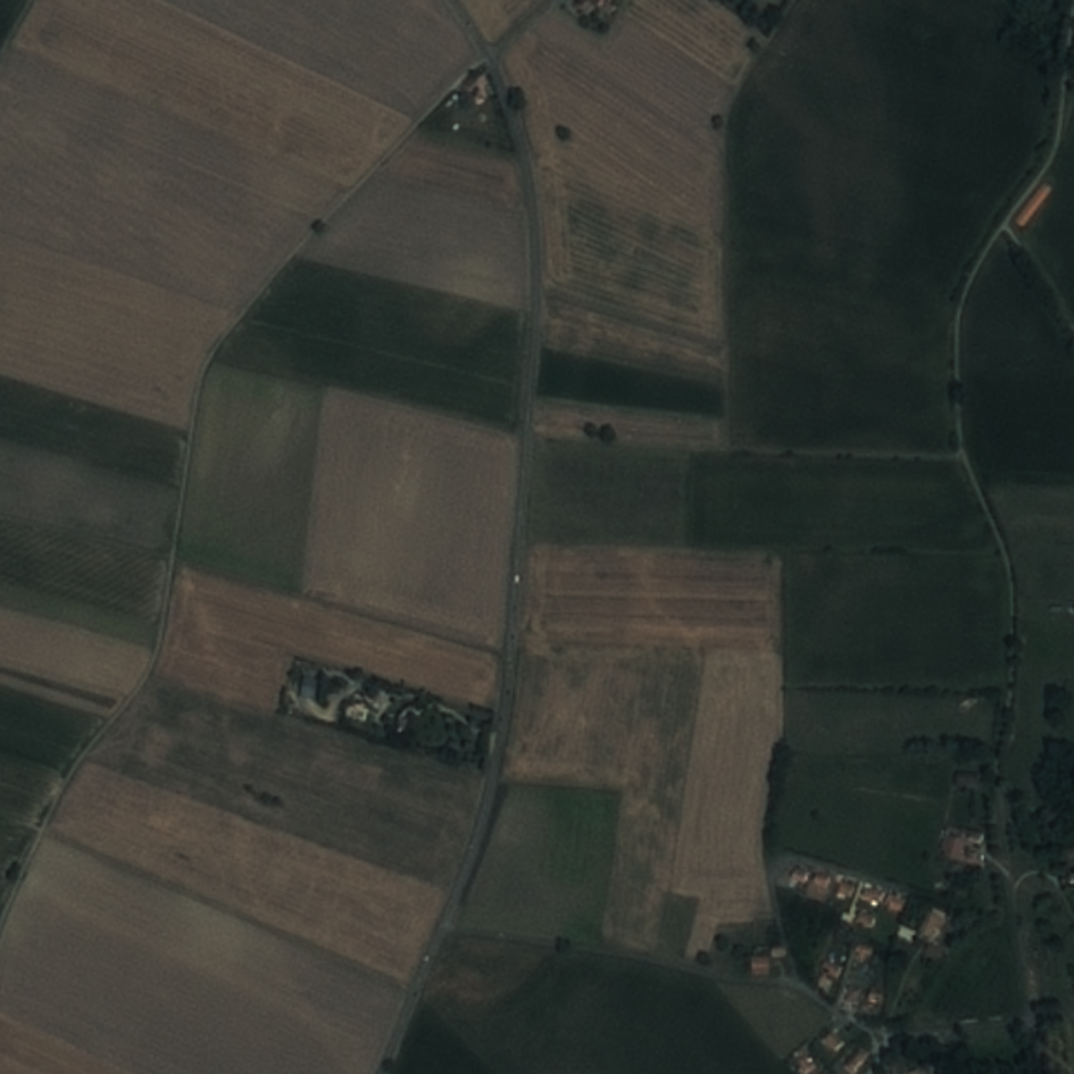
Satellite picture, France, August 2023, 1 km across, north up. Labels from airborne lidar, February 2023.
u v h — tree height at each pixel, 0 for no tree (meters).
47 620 0
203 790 0
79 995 0
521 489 0
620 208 0
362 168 0
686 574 0
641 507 0
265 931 0
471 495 0
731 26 0
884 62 0
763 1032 0
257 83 0
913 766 0
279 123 0
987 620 0
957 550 0
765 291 0
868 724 0
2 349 0
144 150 0
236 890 0
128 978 0
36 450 0
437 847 0
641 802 0
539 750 0
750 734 0
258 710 0
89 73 0
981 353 0
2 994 0
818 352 0
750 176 0
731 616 0
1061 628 0
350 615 0
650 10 0
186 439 0
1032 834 19
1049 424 0
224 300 0
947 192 0
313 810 0
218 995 0
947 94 0
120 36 0
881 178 0
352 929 0
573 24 0
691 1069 0
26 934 0
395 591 0
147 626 0
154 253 0
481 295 0
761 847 0
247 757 0
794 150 0
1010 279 0
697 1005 0
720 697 0
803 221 0
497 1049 0
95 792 0
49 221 0
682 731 0
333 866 0
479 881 0
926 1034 0
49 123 0
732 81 0
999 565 0
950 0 0
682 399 0
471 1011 0
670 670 0
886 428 0
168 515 0
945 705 0
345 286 0
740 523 0
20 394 0
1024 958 0
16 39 0
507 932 0
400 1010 0
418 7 0
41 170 0
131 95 0
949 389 0
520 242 0
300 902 0
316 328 0
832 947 0
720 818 0
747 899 0
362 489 0
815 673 0
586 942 0
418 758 0
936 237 0
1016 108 0
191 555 0
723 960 0
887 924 0
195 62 0
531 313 0
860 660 0
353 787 0
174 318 0
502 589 0
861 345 0
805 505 0
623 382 0
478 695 0
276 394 0
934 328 0
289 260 0
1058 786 25
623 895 0
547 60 0
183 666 0
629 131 0
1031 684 0
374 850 0
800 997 0
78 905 0
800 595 0
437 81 0
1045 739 0
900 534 0
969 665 0
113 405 0
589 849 0
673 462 0
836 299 0
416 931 0
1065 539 0
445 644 0
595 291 0
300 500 0
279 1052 0
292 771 0
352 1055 0
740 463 0
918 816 0
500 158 0
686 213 0
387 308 0
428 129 0
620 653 0
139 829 0
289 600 0
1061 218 0
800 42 0
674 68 0
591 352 0
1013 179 0
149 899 0
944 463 0
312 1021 0
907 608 0
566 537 0
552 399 0
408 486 0
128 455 0
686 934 0
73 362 0
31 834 0
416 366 0
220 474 0
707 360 0
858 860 0
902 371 0
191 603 0
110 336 0
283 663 0
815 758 0
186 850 0
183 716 0
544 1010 0
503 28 0
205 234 0
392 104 0
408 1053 0
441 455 0
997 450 0
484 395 0
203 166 0
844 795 0
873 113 0
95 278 0
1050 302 27
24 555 0
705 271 0
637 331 0
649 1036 0
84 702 0
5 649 0
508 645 0
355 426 0
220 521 0
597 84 0
